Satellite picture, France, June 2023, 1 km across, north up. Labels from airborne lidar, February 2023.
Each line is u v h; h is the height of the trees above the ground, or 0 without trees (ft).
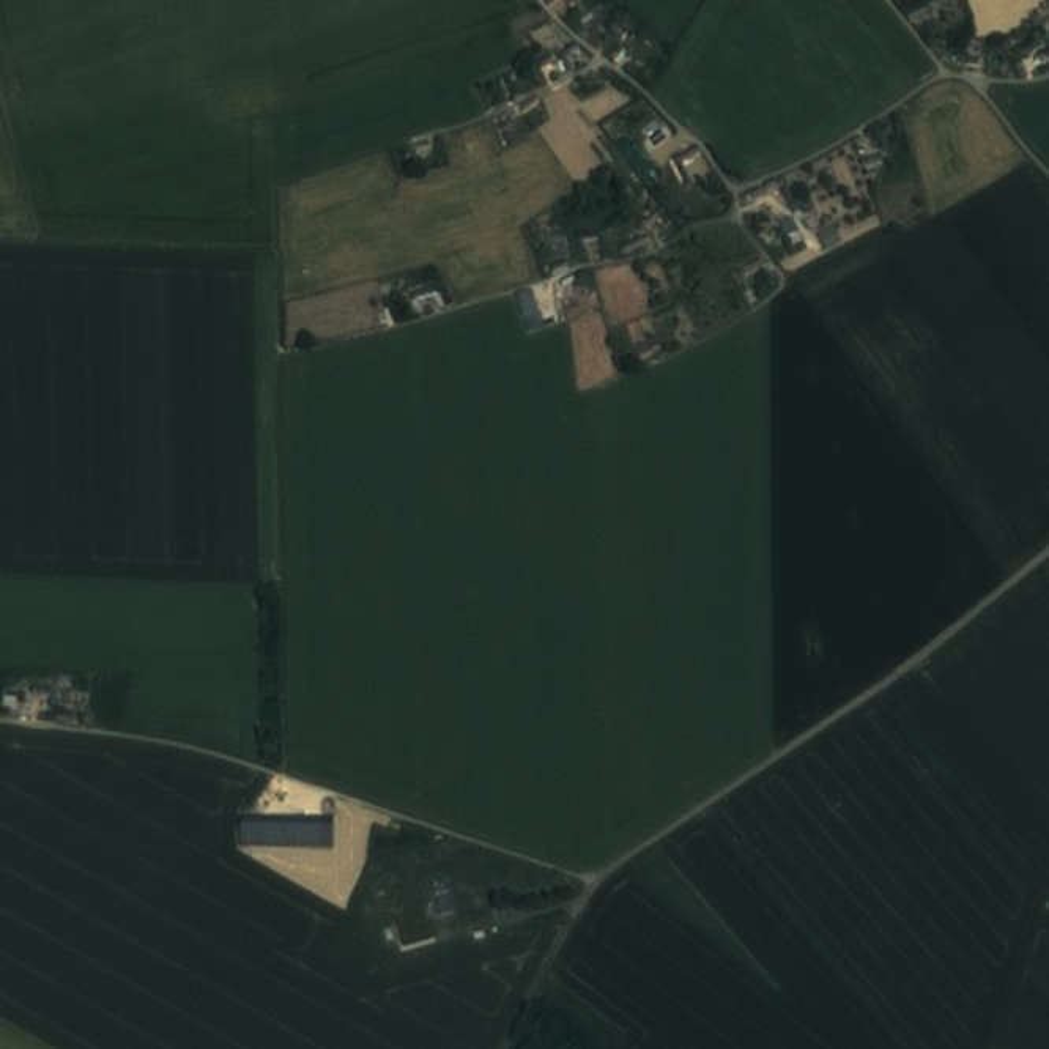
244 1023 0
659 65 19
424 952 0
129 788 0
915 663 0
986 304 0
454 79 0
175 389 0
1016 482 0
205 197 0
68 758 0
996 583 0
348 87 0
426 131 0
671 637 0
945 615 0
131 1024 0
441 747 0
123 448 0
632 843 0
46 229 0
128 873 0
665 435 0
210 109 0
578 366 0
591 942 0
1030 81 0
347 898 0
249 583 0
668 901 0
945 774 0
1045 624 0
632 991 0
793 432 0
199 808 0
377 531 0
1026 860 0
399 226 0
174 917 0
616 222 26
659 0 0
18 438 0
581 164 0
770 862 0
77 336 0
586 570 0
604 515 0
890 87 0
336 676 0
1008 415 0
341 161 0
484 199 0
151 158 0
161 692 0
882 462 0
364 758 0
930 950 0
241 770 0
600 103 0
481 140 0
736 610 0
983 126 0
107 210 0
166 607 0
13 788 0
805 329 0
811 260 0
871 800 0
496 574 0
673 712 0
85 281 0
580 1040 46
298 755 0
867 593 0
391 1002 0
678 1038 0
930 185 0
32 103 0
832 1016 0
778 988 0
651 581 0
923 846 0
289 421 0
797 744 0
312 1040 0
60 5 0
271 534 0
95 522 0
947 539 0
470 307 0
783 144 0
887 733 0
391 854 0
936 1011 0
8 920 0
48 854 0
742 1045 0
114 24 0
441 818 0
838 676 0
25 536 0
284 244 0
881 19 0
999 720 0
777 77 0
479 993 0
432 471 0
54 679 0
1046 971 0
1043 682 0
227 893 0
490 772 0
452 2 0
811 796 0
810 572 0
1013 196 0
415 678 0
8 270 0
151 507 0
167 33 0
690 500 0
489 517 0
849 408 0
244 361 0
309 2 0
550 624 0
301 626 0
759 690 0
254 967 0
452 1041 0
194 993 0
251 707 0
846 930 0
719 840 0
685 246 26
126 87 0
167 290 0
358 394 0
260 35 0
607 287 0
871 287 0
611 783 0
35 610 0
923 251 0
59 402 0
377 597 0
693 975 0
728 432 0
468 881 0
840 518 0
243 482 0
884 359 0
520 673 0
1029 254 0
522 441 0
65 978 0
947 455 0
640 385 0
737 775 0
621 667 0
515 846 0
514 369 0
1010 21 0
